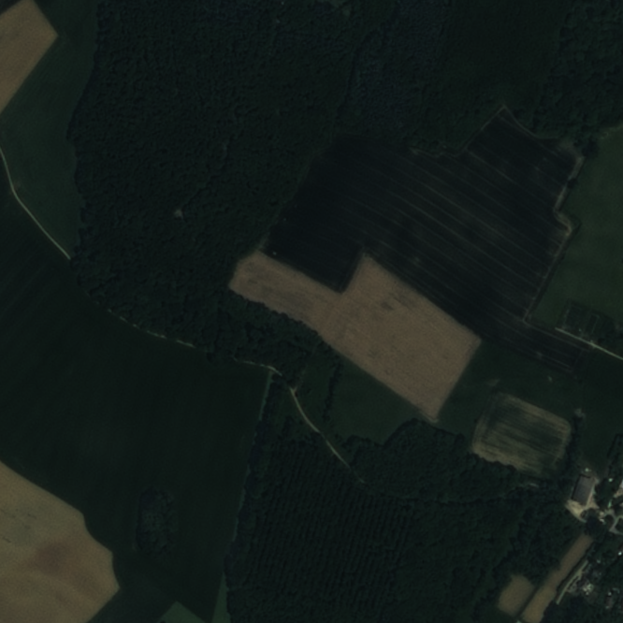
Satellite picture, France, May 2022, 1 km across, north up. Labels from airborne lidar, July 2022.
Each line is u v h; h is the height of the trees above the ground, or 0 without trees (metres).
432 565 25
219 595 0
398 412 0
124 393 0
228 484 0
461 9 11
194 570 0
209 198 22
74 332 0
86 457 0
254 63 23
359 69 28
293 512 21
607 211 0
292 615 19
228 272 19
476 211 0
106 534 0
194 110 21
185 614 0
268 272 0
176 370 0
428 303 0
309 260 0
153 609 0
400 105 22
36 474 0
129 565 0
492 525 26
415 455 14
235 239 18
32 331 0
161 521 23
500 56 13
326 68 18
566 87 27
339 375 18
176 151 17
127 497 0
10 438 0
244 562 20
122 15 19
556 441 0
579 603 21
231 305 26
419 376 0
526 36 14
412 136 20
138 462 0
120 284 25
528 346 0
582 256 0
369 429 0
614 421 0
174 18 19
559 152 0
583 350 0
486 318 0
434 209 0
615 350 0
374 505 15
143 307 24
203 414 0
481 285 0
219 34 19
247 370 0
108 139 20
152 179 23
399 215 0
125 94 24
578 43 24
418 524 24
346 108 31
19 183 0
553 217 0
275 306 0
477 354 0
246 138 18
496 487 25
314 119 18
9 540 0
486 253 0
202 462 0
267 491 18
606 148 0
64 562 0
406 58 21
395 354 0
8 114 0
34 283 0
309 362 25
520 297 0
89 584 0
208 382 0
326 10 27
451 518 23
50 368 0
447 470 23
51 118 0
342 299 0
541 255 0
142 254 19
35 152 0
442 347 0
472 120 19
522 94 12
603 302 0
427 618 24
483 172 0
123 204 25
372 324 0
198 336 22
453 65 13
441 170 0
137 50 19
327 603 10
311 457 19
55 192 0
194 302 29
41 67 0
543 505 30
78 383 0
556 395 0
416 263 0
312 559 23
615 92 27
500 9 13
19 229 0
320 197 0
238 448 0
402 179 0
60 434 0
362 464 14
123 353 0
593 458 0
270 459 21
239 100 21
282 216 0
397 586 20
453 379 0
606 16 30
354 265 0
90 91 17
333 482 17
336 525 18
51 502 0
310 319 0
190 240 21
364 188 0
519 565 18
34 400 0
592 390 0
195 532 0
